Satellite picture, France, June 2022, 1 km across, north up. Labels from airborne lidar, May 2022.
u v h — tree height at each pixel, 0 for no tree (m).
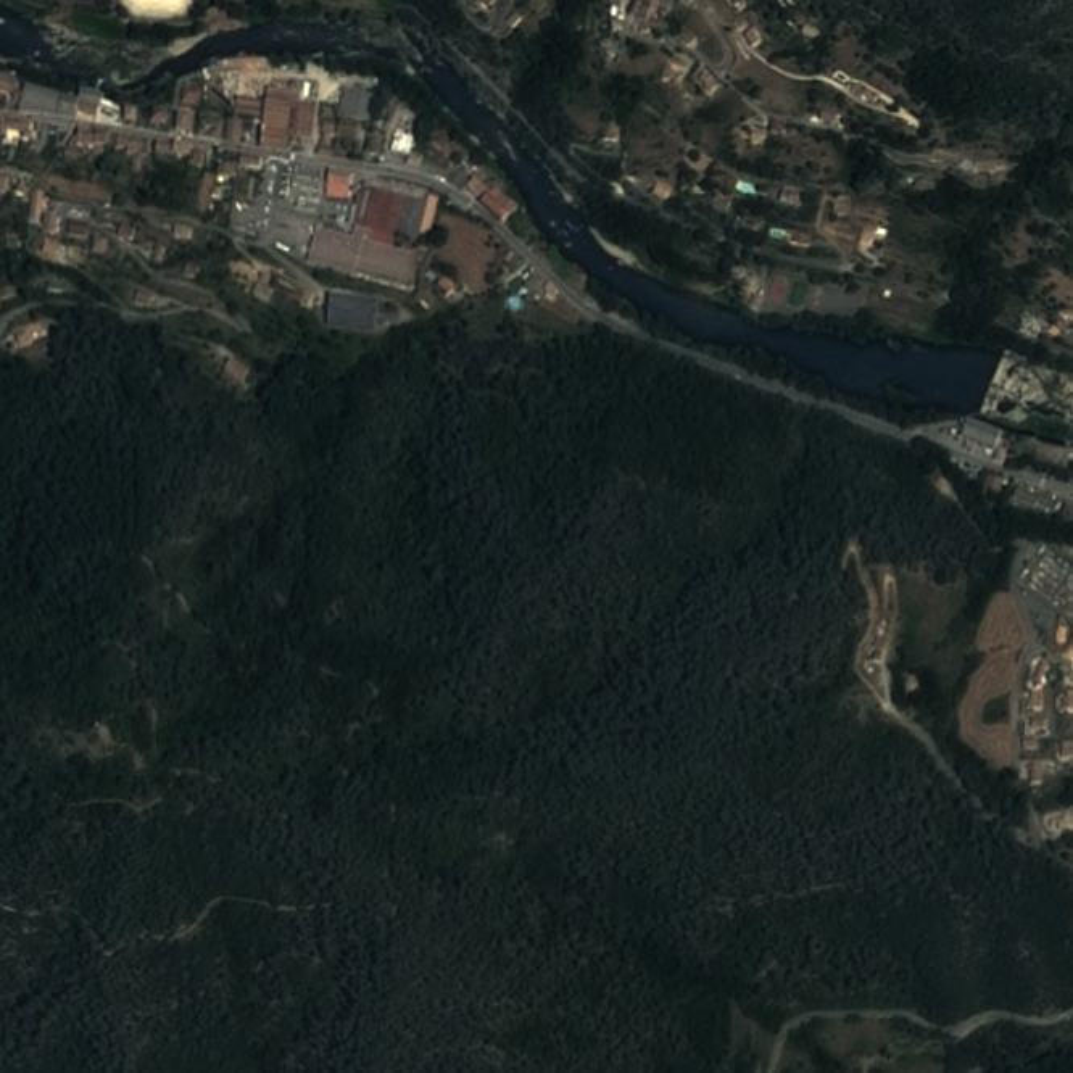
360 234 0
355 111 0
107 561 10
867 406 13
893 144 10
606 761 27
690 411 19
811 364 0
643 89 7
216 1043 12
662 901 11
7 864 17
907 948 11
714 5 0
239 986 8
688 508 10
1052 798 0
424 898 20
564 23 7
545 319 0
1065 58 7
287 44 0
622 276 0
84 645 9
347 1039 27
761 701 6
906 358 0
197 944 14
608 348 18
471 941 21
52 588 18
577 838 10
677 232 8
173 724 7
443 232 17
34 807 12
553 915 14
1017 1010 12
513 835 7
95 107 0
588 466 12
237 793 8
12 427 21
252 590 11
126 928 17
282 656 11
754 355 13
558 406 11
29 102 0
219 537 6
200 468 22
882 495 9
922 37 6
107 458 21
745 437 13
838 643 25
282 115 0
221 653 8
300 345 9
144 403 17
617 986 21
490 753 17
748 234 12
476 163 12
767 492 11
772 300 0
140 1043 8
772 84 0
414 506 18
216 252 8
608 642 18
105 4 8
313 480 8
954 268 11
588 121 0
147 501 22
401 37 0
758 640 11
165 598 7
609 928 7
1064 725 0
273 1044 14
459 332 9
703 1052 13
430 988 24
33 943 10
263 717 17
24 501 15
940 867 8
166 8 0
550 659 13
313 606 16
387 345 6
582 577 16
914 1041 7
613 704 22
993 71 9
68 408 18
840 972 19
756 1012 6
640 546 12
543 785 12
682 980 8
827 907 12
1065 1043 12
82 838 21
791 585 26
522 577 22
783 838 23
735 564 13
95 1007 18
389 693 11
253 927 11
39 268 8
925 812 22
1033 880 10
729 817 24
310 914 6
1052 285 6
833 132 7
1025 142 7
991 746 0
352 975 24
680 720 25
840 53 0
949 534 6
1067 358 10
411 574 11
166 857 18
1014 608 0
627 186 9
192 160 0
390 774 16
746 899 8
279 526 10
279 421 29
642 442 15
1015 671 0
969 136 12
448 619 15
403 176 0
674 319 0
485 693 21
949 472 15
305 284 0
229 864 11
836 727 10
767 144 6
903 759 8
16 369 12
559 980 18
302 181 0
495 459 12
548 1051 19
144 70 0
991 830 21
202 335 8
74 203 0
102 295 13
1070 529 7
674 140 0
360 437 12
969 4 10
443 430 8
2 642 13
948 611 0
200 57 0
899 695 8
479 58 8
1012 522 14
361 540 9
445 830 21
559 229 0
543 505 13
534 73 14
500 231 0
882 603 0
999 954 13
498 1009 7
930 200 18
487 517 18
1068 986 8
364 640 10
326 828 21
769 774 6
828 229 0
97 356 19
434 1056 24
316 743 16
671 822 21
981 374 0
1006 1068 12
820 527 10
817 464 10
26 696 8
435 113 13
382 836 16
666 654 23
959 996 6
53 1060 7
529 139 8
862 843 22
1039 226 7
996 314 7
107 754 7
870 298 0
